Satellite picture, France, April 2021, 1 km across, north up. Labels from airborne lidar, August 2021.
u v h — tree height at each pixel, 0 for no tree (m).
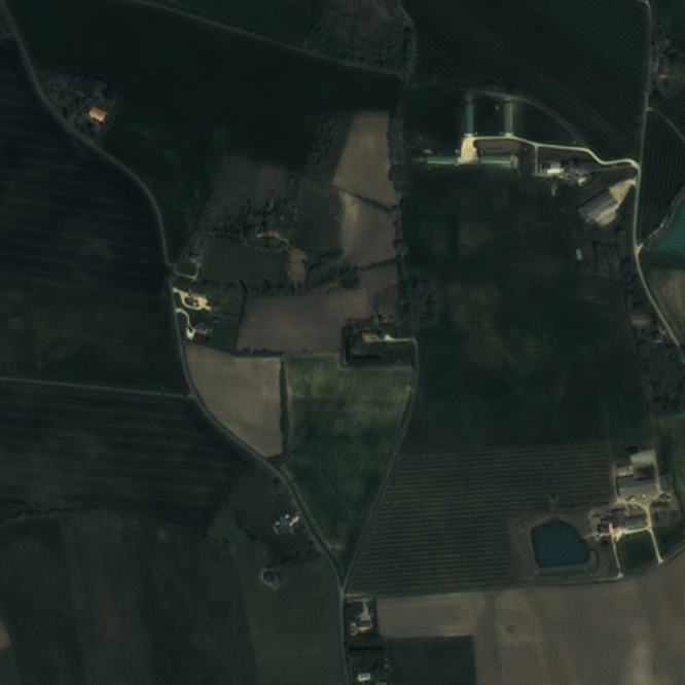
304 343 0
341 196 0
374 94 0
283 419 6
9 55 0
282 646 0
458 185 0
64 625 0
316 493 0
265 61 0
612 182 0
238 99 0
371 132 0
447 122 0
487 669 0
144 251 0
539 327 0
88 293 0
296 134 0
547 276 0
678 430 0
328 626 0
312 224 0
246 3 0
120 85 0
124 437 0
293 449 0
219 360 0
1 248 0
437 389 0
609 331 0
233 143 0
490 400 0
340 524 0
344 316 0
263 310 0
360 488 0
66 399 0
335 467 0
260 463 0
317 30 6
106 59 0
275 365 0
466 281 0
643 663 0
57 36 0
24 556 0
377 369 0
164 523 0
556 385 0
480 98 0
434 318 13
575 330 0
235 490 0
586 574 0
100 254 0
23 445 0
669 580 0
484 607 0
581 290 0
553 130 0
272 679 0
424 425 0
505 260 0
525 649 0
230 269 0
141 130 0
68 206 0
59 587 0
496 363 0
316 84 0
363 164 0
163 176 0
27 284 0
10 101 0
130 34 0
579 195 0
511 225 0
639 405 0
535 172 0
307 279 5
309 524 0
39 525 0
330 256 6
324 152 7
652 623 0
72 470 0
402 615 0
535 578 0
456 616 0
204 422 0
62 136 0
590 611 0
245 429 0
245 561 0
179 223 0
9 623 0
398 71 9
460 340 0
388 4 14
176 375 0
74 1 0
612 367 0
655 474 0
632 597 0
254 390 0
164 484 0
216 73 0
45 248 0
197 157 0
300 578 0
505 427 0
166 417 0
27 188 0
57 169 0
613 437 0
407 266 0
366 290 0
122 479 0
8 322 0
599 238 0
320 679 0
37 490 0
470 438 0
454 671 0
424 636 0
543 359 0
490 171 0
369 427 0
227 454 0
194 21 0
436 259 0
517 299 0
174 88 0
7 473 0
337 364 0
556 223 0
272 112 0
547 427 0
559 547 0
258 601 0
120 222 0
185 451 0
